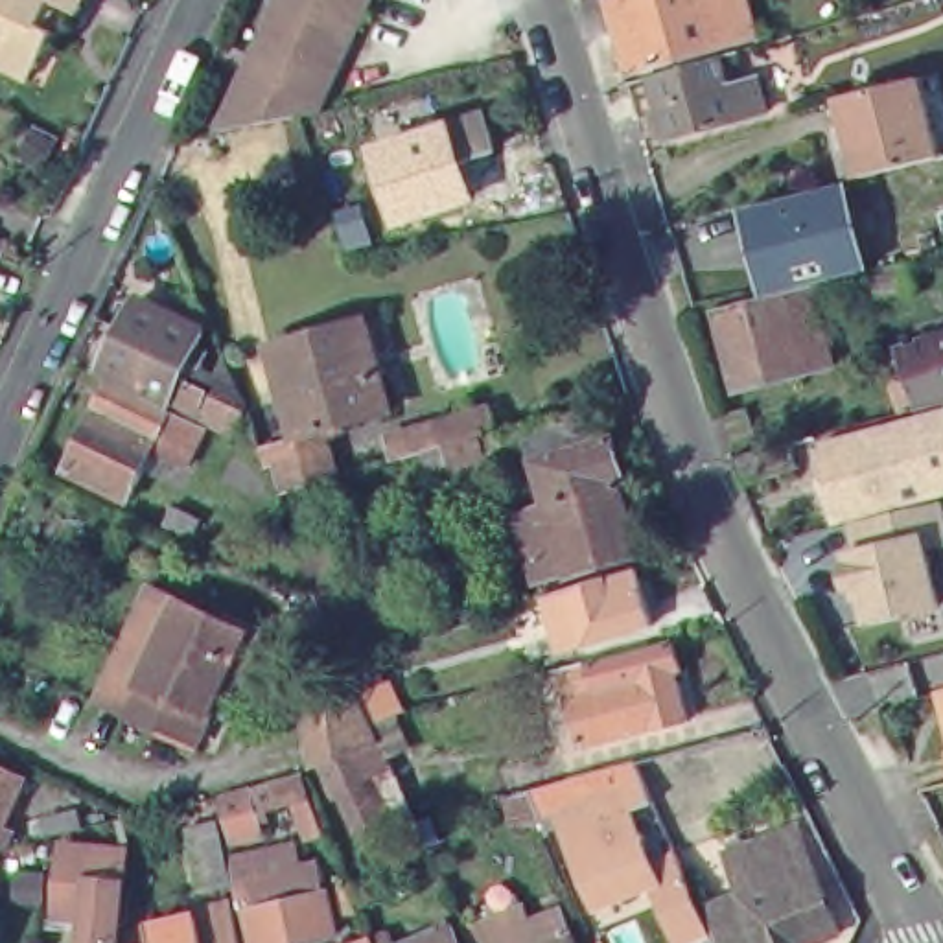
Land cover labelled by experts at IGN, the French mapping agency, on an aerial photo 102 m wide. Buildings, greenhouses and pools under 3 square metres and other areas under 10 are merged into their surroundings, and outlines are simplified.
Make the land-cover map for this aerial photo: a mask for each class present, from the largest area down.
<instances>
[{"label":"building","instance_id":"1","mask_svg":"<svg viewBox=\"0 0 943 943\"><path fill-rule=\"evenodd\" d=\"M81 0H0V74L11 81H26V70L33 66L37 48L44 41L37 11H74ZM368 0H247L239 18L247 26L243 48H232L228 59L236 74L210 129L228 144L239 129H265L273 118H280L287 133L298 129V118L309 107L320 103ZM600 33L611 41V52L634 77L646 155H648V147H667V158H693L700 151L693 140L740 129V118L755 114L770 111V103L759 96V74L748 70L751 63L744 41L755 37V22L748 0H600ZM829 114L825 133L836 166L832 184H818L810 192L792 188L777 199H770L766 192L755 195L748 206L733 210V225H740V232L744 250L751 258L744 273L751 295L744 302L718 306L707 313L726 390H774L792 376H818L832 361L825 332L818 324L803 328V317L810 313V284L851 276L862 269V247L851 221L847 184L880 173L936 166L943 158V151H936L932 144L917 85L914 77H902L873 85L869 92H851L832 96L821 107ZM472 151L475 158H486L490 144L479 111L438 122L409 133L394 129L387 136H372L368 144H361L365 180L383 217V228H424V221L435 217L442 210L464 206L468 199V184L457 169V158ZM63 151V133L48 118L41 125H26L18 140V162H55V155ZM350 250L368 247V228L361 221L357 203L339 210L332 221ZM192 309L173 295V284L155 287L151 295H136L129 309L111 306L107 324L114 339L103 346L99 361L88 357V368L81 387L88 413L77 424V435L63 442L55 464L63 479H74L85 490L125 505L136 475L151 483L155 479L158 453L192 457L206 431H228L239 416L236 405H228V398L236 394V368L221 357L214 368H203L199 357H192V350L199 346V324L188 320ZM269 372V390H262L258 402L276 424L273 442H262L258 457L273 472L276 490L284 494L302 486V479L313 472H332L335 435L350 438L354 453L379 449L387 460H420L449 472L475 468L483 457L475 449V435L490 420V409L475 405L460 413L431 409L435 424L398 427L387 409L365 317L317 324L291 335L265 328L254 339V357ZM906 328L914 335L891 346L888 368V424L847 431L799 438L785 457L770 453H729L722 472L733 479L740 494H748L763 497L803 475L810 479V497L825 523L844 530V549H836L829 578L832 600L840 615L851 623L880 626H895L902 615H910L914 604H921L932 593L925 556L943 545V320ZM530 486V505L516 519L523 571L534 593V604L527 611L545 626L541 645L549 648V656L600 652L641 637L652 648L634 659H615L604 667H567V707L553 715L556 729L564 726L567 733H575V744H597L619 733L656 729L659 722L678 726L693 715L681 707L678 693V659L670 652L674 630L652 637V619L645 615L634 567L630 549L623 545V523L630 519V512L615 494L619 464L608 435H586L575 427L567 413H560L549 431L530 435L516 446ZM162 527L180 530L192 534L195 519L180 512V505L162 508ZM243 630L173 593L155 589L147 586L136 593L133 611L122 623V634L92 685V696L111 715H118L125 733L147 729L155 744L210 748V740L221 733L225 696L221 674L232 667ZM402 704L387 681L372 685L368 696H361L339 715L302 718L298 729L302 763L309 770H317L328 799L339 807L343 825L354 840L357 832H365V821H376L387 807H402L405 796L390 770V759L402 740ZM943 737V689H936L932 700V711ZM22 777L0 766V851L11 858L18 844L11 840L7 814ZM645 807V785L634 766H615L534 792L505 796L501 803L505 818L508 829H534L538 814L553 825V832L586 910L593 917L600 906H634L637 891H645L656 880L648 910L637 914V925L645 943H829L840 932V925L825 910L818 877L799 844L796 818L774 829L718 836L729 869V888H718L707 906L693 910L678 858L667 851L652 862L645 858L634 810ZM199 807L225 821V836L232 844L254 840L269 810L291 818L295 832L306 844L298 851L269 847L258 855H236L221 866L214 829L188 825L180 855L184 880L192 884V891L199 895L192 914L155 917L140 925V943H571L564 921L560 914H527L512 899V891L497 884L486 888L483 914L468 928L453 936L446 917L420 928H405V939L372 932L368 939H357L350 925L335 928V921H343L354 906L350 888L346 880H332V866L317 847L320 825L302 788L295 781H276L247 788L239 796L203 799ZM29 836L74 832L77 814L29 821ZM129 840L122 818H114V825L111 847H44L41 866L52 869L48 880L29 866L7 873L11 899L29 910H48V928L59 932V943H114Z\"/></svg>","mask_w":943,"mask_h":943},{"label":"impervious surface","instance_id":"2","mask_svg":"<svg viewBox=\"0 0 943 943\"><path fill-rule=\"evenodd\" d=\"M221 7H228V0H81L74 11H37L44 41L37 48L33 66L26 70V81L48 85L55 74V55L81 48L85 33L99 26H129L114 74L96 88V111L85 125V136L77 144V162L85 166V173L77 184L88 188V199L74 221V236H52L48 262L41 269V287L26 295L29 309L22 313V320H0V505L11 475L22 468V453L26 420L37 416L41 405L37 387L44 379L52 383L66 365L74 361L88 368V357L99 361L103 346L114 339L107 324L111 306L129 309L136 295H151L155 287L173 284V265L151 269L155 250L144 239L151 232V199L169 195L162 180L166 173H184L195 180L203 199L199 210L210 225L221 284L232 332L254 339L265 328L250 280V258L236 250L228 236L225 192L232 180L256 177L273 155H287V133L280 118H273L265 129H239L228 144L210 129L236 74L228 59H221L210 44V29L221 26ZM195 63L206 74H214V96L203 103V118L195 122L199 140L173 147L166 125L173 122V111L184 96V85L195 74ZM505 15H512L516 7L527 11V18L534 22L530 37L538 59L519 77V92L523 107L538 118V136H512V140L538 144V155L556 177L560 203L571 225L586 232L589 243L604 258H611L626 280L619 298L608 306L611 324L604 328L608 350L615 354L630 400L637 409L645 405V413L656 424L645 435V442L663 483L656 505L678 519V534L670 538V545L696 556L693 571L678 586L674 608L652 619V637L674 630L685 619L722 623L755 685V700H744L693 715L678 726L659 722L656 729L619 733L597 744H575V733H567L564 726L556 729V751L545 763H519L497 770V781L483 792L501 803L505 796L534 792L615 766H634L645 785V807L634 810L645 858L652 862L667 851L678 858L693 910L707 906L718 888H729V869L718 836L707 825L711 814L763 770L777 788L796 792V818L799 844L818 877L825 910L840 925V932L829 943H943V792H910V777L899 763L869 766L855 733L884 737V733H880V715H877V707H888L895 700H910L914 689L932 700L936 689H943V641L917 645V659L910 667L884 670L858 674L862 656L851 641V623L840 615L832 600L829 578L836 549H844V530L825 523L821 530H807L785 541L788 560L777 564L748 508V494H740L733 479L722 472L729 453V446L726 435L707 420V413L700 405L704 390L696 368L685 361V350L674 332V317L681 309L689 298L685 280L700 269L744 273L751 258L744 250L740 232L711 225L685 236L674 199L648 195L656 180L648 155H646L637 147L615 144L611 118L586 52V44L600 33V0H497ZM799 600H810L818 608L829 641L844 663V678L825 674L818 645L807 623L799 619ZM943 29V15H932L895 33L869 37L851 48H836L821 55L810 70L799 66L796 48L781 44L751 63L748 70L759 74V96L770 103V111L755 114L759 122H766L777 118L785 107L792 111L799 88L821 81L825 70L836 63H851L880 48H895ZM932 144L936 151H943V92L939 77H925L917 85ZM438 122L435 114L431 99L387 103L376 111L372 136H387L394 129L409 133ZM446 295L460 298L472 320L475 368L468 372H446L435 350L431 302ZM416 320V343L409 346V361L416 365V379L431 376L442 390L472 387L490 383L501 379V365L486 361V295L479 280H457L449 287L420 291L409 302ZM236 394L228 398V405H236L239 416L262 442H273L276 424L258 402L262 390H269V372L254 357L250 368H236ZM199 468V460L192 457L158 453L155 479L188 490L192 472ZM545 626L527 611L523 626L512 637L490 641L468 652L438 656L431 670H449L475 659L516 652L549 656V648L541 645ZM652 648L641 637L600 652L549 656L553 674L545 685V700L553 715L567 707V667H604L615 659H634ZM188 825L214 829L221 866L236 855H258L269 847L298 851L306 844L295 832L291 818L269 810L254 840L232 844L225 836V821L199 807L188 818ZM656 880L645 891H637L634 906H600L593 917L597 932L608 936L637 925V914L648 910Z\"/></svg>","mask_w":943,"mask_h":943},{"label":"deciduous trees","instance_id":"3","mask_svg":"<svg viewBox=\"0 0 943 943\"><path fill-rule=\"evenodd\" d=\"M799 41H807L803 26L785 22V41H777L770 29L755 22V37L744 41L751 63L781 44L796 48ZM494 118L512 136H538V118L523 107L519 92L490 99ZM85 136V125L77 122L63 133V151L55 155V162H18L0 180V210L37 217L44 206H63L70 188L77 184L85 173V166L77 162V144ZM770 169H792V188L810 192L818 184H832L836 166L825 133H810L774 155ZM766 192V173H748L733 180L726 169L715 180H707L696 195L674 199L685 236L711 225L740 232V225H733V210L748 206L755 195ZM162 180L169 195L151 199V232H169L177 225L192 228L199 210L203 199L195 180L184 173H166ZM228 236L236 250L250 258H276L291 247H302L308 228L306 208L289 192L256 177L232 180L225 192ZM350 199L357 203L361 221L368 228V247L350 250L343 262L354 273H394L405 262L442 254L453 243H472L483 258H497L508 247V236L490 217L468 225H442L435 217L424 221V228H383V217L365 180L350 184ZM626 280L611 258H604L589 243L586 232L571 225L567 236L534 239L512 265L497 273V291L505 295L512 317L505 335L527 354L530 368H538L553 354L578 350L586 332L604 328L611 324L608 306L619 298ZM41 287V269L18 258L15 243H0V320H22V313L29 309L26 295ZM877 276L862 269L851 276L810 284V313L803 317V328L818 324L825 332L832 361H851L858 372L873 361L888 368L891 346L914 335L906 328L895 320L891 298L873 295ZM203 302L199 309H192L188 320L199 324V346L192 350V357H199L203 368H214L221 357L236 368H250L254 357V339L232 332L221 284L199 291ZM475 405L490 409V420L475 435V449L483 457L475 468L449 472L420 460H387L379 449L354 453L350 438L335 435L332 472H313L302 479V486L284 494L276 512L265 501L250 497H243L239 508L221 505L214 512L217 538L210 549V564H184V553L177 545L180 530L162 527L133 523L125 516V505L85 490L77 494V519L85 527L103 530L107 553L129 571L125 582L136 593L147 586L155 589L158 578H236L262 589L265 597H273L276 589L302 593L298 619L276 611L258 623L254 641L247 645L239 663V681L225 696L221 733L236 748H262L276 733L298 729L302 718L339 715L361 696H368L372 685L387 681L390 674L405 678V663L420 648V641L453 630L460 619L490 641L512 637L523 626L527 611L534 604V593L523 571L516 519L530 505V486L516 446L530 435L549 431L560 413H567L575 427L586 435H608V416L619 405V390L597 376L593 365L578 376L556 379L549 387L545 405L527 409H519L512 394L494 390L490 383L472 387ZM888 405L840 409L836 424L847 431L888 424ZM656 424L645 413L634 420L630 431V460L619 464L615 494L630 512V519L623 523V545L630 549L634 567H656L667 582L678 586L693 571L696 556L670 545V538L678 534V519L656 505L663 483L645 442V435ZM751 435L744 442L729 446V453H770V438L781 424H774L766 413L748 420ZM748 508L777 564L788 560L785 541L807 530H821L825 523L810 497H796L770 516L763 497L748 494ZM81 545L70 534L0 541V571L4 597L15 600V619L41 626V648L48 652L52 674L81 678L92 685L122 634V623L107 608V597L114 589L77 560ZM884 670L910 667L917 659V645L902 641L895 626H880ZM33 648L0 637V715L26 726H41L33 715V700L18 689L26 681V659ZM553 674L549 656L516 652L505 674L490 681V693L505 704L497 770L519 763H545L556 751V729L553 715L545 700V685ZM877 715H880V733H884V740H888V744H891V748L899 751V748H902V729H906V715L899 711V707L891 711V707H877ZM796 818V792L777 788L763 770L711 814L707 825L718 836L774 829ZM122 818L129 840H140L151 873L180 855L188 825V818L173 810V796L166 785L147 796L125 799ZM505 818L501 803L483 792L479 803L460 814L442 851L420 844V832L402 807H387L376 821H365V832H357L354 840V855L365 873L350 888L354 906L343 921H335V928L350 925L357 939H368L372 932L368 910L394 906L398 891L449 888L453 910L446 917L453 936L468 928L464 910L479 891L460 877L464 862L475 858V844L483 840V832H490ZM155 917L192 914L199 895L192 891L184 895L177 884H162L155 877ZM22 936L37 943H59V932L48 928V910H29Z\"/></svg>","mask_w":943,"mask_h":943},{"label":"herbaceous vegetation","instance_id":"4","mask_svg":"<svg viewBox=\"0 0 943 943\"><path fill-rule=\"evenodd\" d=\"M755 22L770 29L777 41H785V22L803 26L807 41H799L796 48L799 66L810 70L821 55L836 48H851L869 37L895 33L932 15H943V0H748ZM129 26H99L85 33L81 48L55 55V74L48 85L26 81H11L0 74V180L18 162V140L26 125H41L48 118L63 133L77 122L85 125L96 111V88L114 74ZM851 77V92H869L873 85L902 77H914L917 85L925 77H939L943 92V29L895 48H880L851 63H836L825 70L821 81ZM479 111L490 144L505 147L512 140V136L494 118L490 99H457L435 114L438 122ZM376 111L335 107L328 111L320 103L309 107L298 118V129L287 133V155H273L256 177L289 192L306 208L308 228L302 247H291L276 258H250V280L265 328L291 335L317 324L365 317L387 409L398 427L435 424L431 409L460 413L475 405L472 387L442 390L431 376L416 379V365L409 361V346L416 343V320L409 302L420 291L449 287L457 280H479L486 295V361L501 365V379L490 383L494 390L512 394L519 409H527L545 405L549 387L556 379L578 376L593 365L597 376L619 390V405L608 416V435L619 464L630 460V431L634 420L645 413V405L637 409L630 400L615 354L608 350L604 328L586 332L578 350L553 354L538 368H530L527 354L505 335L512 317L505 295L497 291V273L512 265L534 239L567 236L571 225L560 203L523 217H490L508 236V247L497 258H483L472 243H453L442 254L405 262L394 273H354L343 262L350 250L332 221L339 210L357 203L350 199V184L365 180L361 144H368L372 136ZM774 155H751L726 169L733 180L748 173H766V192L770 199H777L792 188V169H770ZM895 195L899 239L895 250L880 262L877 276L873 295L891 298L895 320L906 328L943 320V158L936 166L880 173ZM173 243L184 250L199 291L221 284L210 225L199 210L192 228L177 225L169 232ZM689 298L681 309L693 313L700 328L707 361L715 368L718 402L726 409V416L707 413V420L726 435L729 446L744 442L751 435L748 420L766 413L774 424H781L770 438V453L785 457L799 438L847 431L836 424L840 409L888 405V368L873 361L858 372L851 361H832L818 376H792L774 390H726L707 313L718 306L744 302L751 295L744 273L700 269L685 280ZM70 379L55 390L41 442L33 453H22V468L11 475L0 505V541L70 534L81 545L77 560L114 589L107 597V608L122 623L133 611L136 593L125 582L129 571L107 553L103 530L85 527L77 519V494L85 490L74 479H63L55 464L63 442L77 435V424L88 413L81 387L88 368L74 361L66 365ZM262 442L239 416L228 431H206L192 457L199 460V468L192 472L188 490L155 479L151 483L136 475L125 505V516L133 523L162 527V508L180 505V512L195 519L192 534L180 530L177 545L184 553V564H210V549L217 538L214 512L221 505L239 508L243 497H250L265 501L276 512L284 494L276 490L273 472L258 457ZM645 615L652 619L674 608L678 586L667 582L656 567H634ZM0 637L33 648L26 659V681L18 689L33 700V715L41 726L52 722L63 733L96 729L103 751H114L118 759L136 766H173L177 759H184L195 770L199 759H225L236 748L221 733L210 740V748L155 744L147 729L125 733L118 715H111L92 696V685L81 678L52 674L48 652L41 648V626L15 619V600L4 597L0 571ZM155 589L173 593L243 630L232 667L221 674L225 696L239 681V663L247 645L254 641L258 623L276 611L298 619L302 593L276 589L273 597H265L262 589L236 578H158ZM490 641L460 619L453 630L420 641V648L405 663V678L390 674L387 681L402 704V740L390 759V770L405 796L402 807L420 832V844L442 851L460 814L479 803L483 792L497 781V770L505 704L490 693V681L505 674L516 652L475 659L449 670H431L438 656L468 652ZM880 626L851 623V641L862 656L858 674L884 670ZM670 652L678 659V693L681 707L693 715L744 700L737 689H729V674L722 670V663H715L704 652V645L685 637L678 626L674 630ZM888 707H891V711L899 707V711L906 715V729H902V748H899V751L914 755L917 726L932 711V700L914 689L910 700H895ZM111 847L114 825L92 814L88 807H77V814L74 832L29 836L18 844L11 858L0 851V943H37L22 936L29 910L11 899L7 873L29 866L48 880L52 869L41 866L44 847ZM553 832V825L538 814L534 829H508L505 818L490 832H483V840L475 844V858L464 862L460 877L479 891L464 910L468 928L483 914L486 888L497 884L512 891V899L527 914H560V906L553 902V877L541 851V836ZM155 877L162 884H177L184 895L192 891V884L184 880L180 855L151 873L140 840H129L114 943H140V925L155 917ZM453 910L449 888L398 891L394 906L368 910L372 932L405 939V928H420L446 917ZM571 943H608V936L597 932L593 917L586 910L564 921Z\"/></svg>","mask_w":943,"mask_h":943},{"label":"pervious surface","instance_id":"5","mask_svg":"<svg viewBox=\"0 0 943 943\"><path fill-rule=\"evenodd\" d=\"M497 29L505 37H530L534 22L527 18V11L516 7L512 15H505L497 0H368L320 103L328 111L335 107L346 85L365 88L442 63L483 59ZM586 52L611 118L615 144L637 147L646 155L634 77L611 52V41L600 33L586 44ZM740 129L693 140L700 151L693 158H667V147H648V155L656 180L648 195L674 199L696 195L707 180H715L726 169L751 155H774L810 133H825L829 114L821 107L810 114L792 111L785 107L777 118L766 122H759L755 114L740 118ZM457 169L468 184V199L464 206L442 210L435 217L442 225H468L490 217H523L560 203L556 177L538 155V144L512 140L505 147L490 144L486 158H475L472 151L457 158ZM851 221L862 247V269L877 276L880 262L895 250L899 239L895 195L880 173L847 184ZM88 199V188L77 184L70 188L63 206H44L37 217L0 210V243H15L18 258L41 269L48 262L52 236H74V221ZM70 379L66 365L52 383L44 379L37 387L41 405L37 416L26 420L22 453H33L41 442L55 390ZM796 497H810V479L803 475L763 497L770 516ZM932 593L921 604H914L910 615H902L895 626L902 641L917 645L943 641V545L925 556ZM869 766L899 763L910 777V792H943V737L932 711L917 726L914 755L899 751L891 748V744H888V740H884V737L855 733ZM0 737L125 799L147 796L166 785L173 796V810L188 818L199 807L203 799L239 796L247 788L276 781H295L302 788V774L309 770L302 763L298 729L276 733L262 748H236L225 759H199L195 770L184 759H177L173 766H136L118 759L114 751H103L96 729L63 733L52 722L41 726H26L0 715ZM77 814V792L55 785L37 788V777H22L7 814L11 840L18 844L29 836V821Z\"/></svg>","mask_w":943,"mask_h":943},{"label":"brushwood","instance_id":"6","mask_svg":"<svg viewBox=\"0 0 943 943\"><path fill-rule=\"evenodd\" d=\"M247 0H228V7H221V26L210 29V44L221 59H228L232 48H243L247 26L239 18ZM538 59L530 37H505L497 29L483 59L442 63L365 88L346 85L335 107L376 111L387 103L431 99L435 114L457 99H490L519 92V77ZM214 96V74H206L195 63V74L184 85V96L173 111V122L166 125L173 147L199 140L195 122L203 118V103ZM851 92V77L821 81L799 88L792 111L810 114L821 107L832 96ZM173 295L192 309H199L203 302L199 291L184 250L173 243ZM674 332L685 350V361L696 368L704 390L700 405L707 413L726 416V409L718 402L715 368L707 361L700 328L693 313L681 309L674 317ZM799 619L807 623L818 645L825 674L844 678V663L829 641L818 608L810 600H799ZM685 637L704 645V652L715 663H722V670L729 674V689H737L744 700H755V685L722 623L685 619L678 626ZM0 766L22 777H37V788L55 785L77 792V807H88L92 814L114 825V818H122L125 799L0 737ZM320 825L317 847L332 866V880H346L350 888L365 873L354 855V840L343 825L339 807L328 799L317 770H309L302 774V788ZM541 851L553 877V902L560 906V914L564 921L586 910L553 832L541 836Z\"/></svg>","mask_w":943,"mask_h":943},{"label":"swimming pool","instance_id":"7","mask_svg":"<svg viewBox=\"0 0 943 943\"><path fill-rule=\"evenodd\" d=\"M155 250L151 269L173 265V243L169 232H151L144 239ZM435 350L446 372H468L475 368L472 320L460 298L446 295L431 302ZM608 943H645L637 925L608 936Z\"/></svg>","mask_w":943,"mask_h":943}]
</instances>
